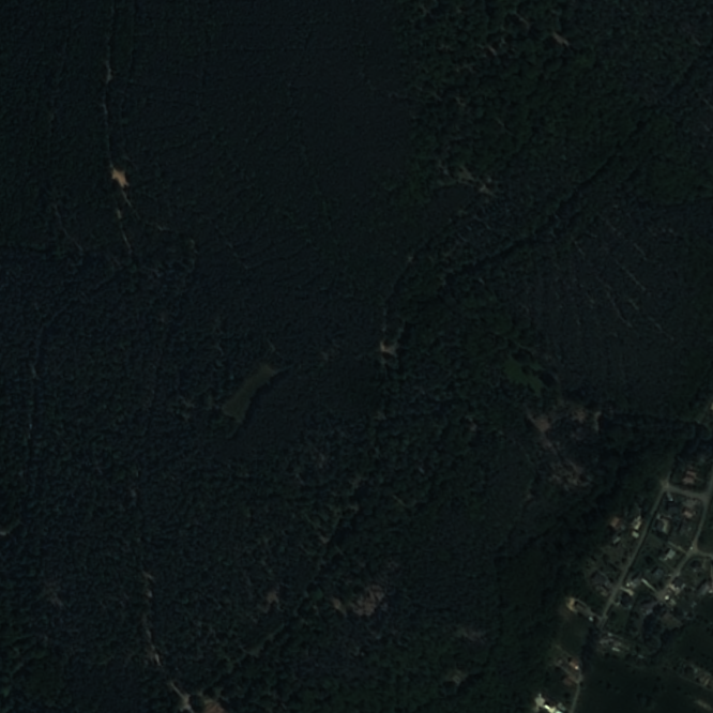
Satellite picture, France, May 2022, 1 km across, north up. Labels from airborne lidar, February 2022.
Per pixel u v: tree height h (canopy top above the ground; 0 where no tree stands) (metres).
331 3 16
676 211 24
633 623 9
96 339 23
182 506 20
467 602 21
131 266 21
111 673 11
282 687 25
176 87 17
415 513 17
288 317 18
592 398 36
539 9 29
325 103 14
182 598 20
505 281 20
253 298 20
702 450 26
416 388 21
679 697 0
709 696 0
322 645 22
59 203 7
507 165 17
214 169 15
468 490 18
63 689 17
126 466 22
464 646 18
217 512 23
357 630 25
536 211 21
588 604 6
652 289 21
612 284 21
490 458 20
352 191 15
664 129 19
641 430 28
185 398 24
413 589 22
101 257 6
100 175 12
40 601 27
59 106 11
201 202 16
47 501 23
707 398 22
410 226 11
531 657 31
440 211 11
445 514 18
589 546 24
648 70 24
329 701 31
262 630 14
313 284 18
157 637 20
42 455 20
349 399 7
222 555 21
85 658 21
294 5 15
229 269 17
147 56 20
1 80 11
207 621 20
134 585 21
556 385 34
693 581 0
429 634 22
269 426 12
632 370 18
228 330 12
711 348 22
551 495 12
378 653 17
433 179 22
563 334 19
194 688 24
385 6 15
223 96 17
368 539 25
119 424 24
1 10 13
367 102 17
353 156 15
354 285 16
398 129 16
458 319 22
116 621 25
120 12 15
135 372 21
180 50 18
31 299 24
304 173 14
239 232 15
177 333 17
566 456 8
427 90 21
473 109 28
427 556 20
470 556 26
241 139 14
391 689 21
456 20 21
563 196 21
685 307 22
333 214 13
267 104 15
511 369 0
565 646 0
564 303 18
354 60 17
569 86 19
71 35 11
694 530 0
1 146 10
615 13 20
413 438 22
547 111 20
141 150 15
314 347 17
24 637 20
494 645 21
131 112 16
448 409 23
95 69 12
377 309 17
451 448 24
